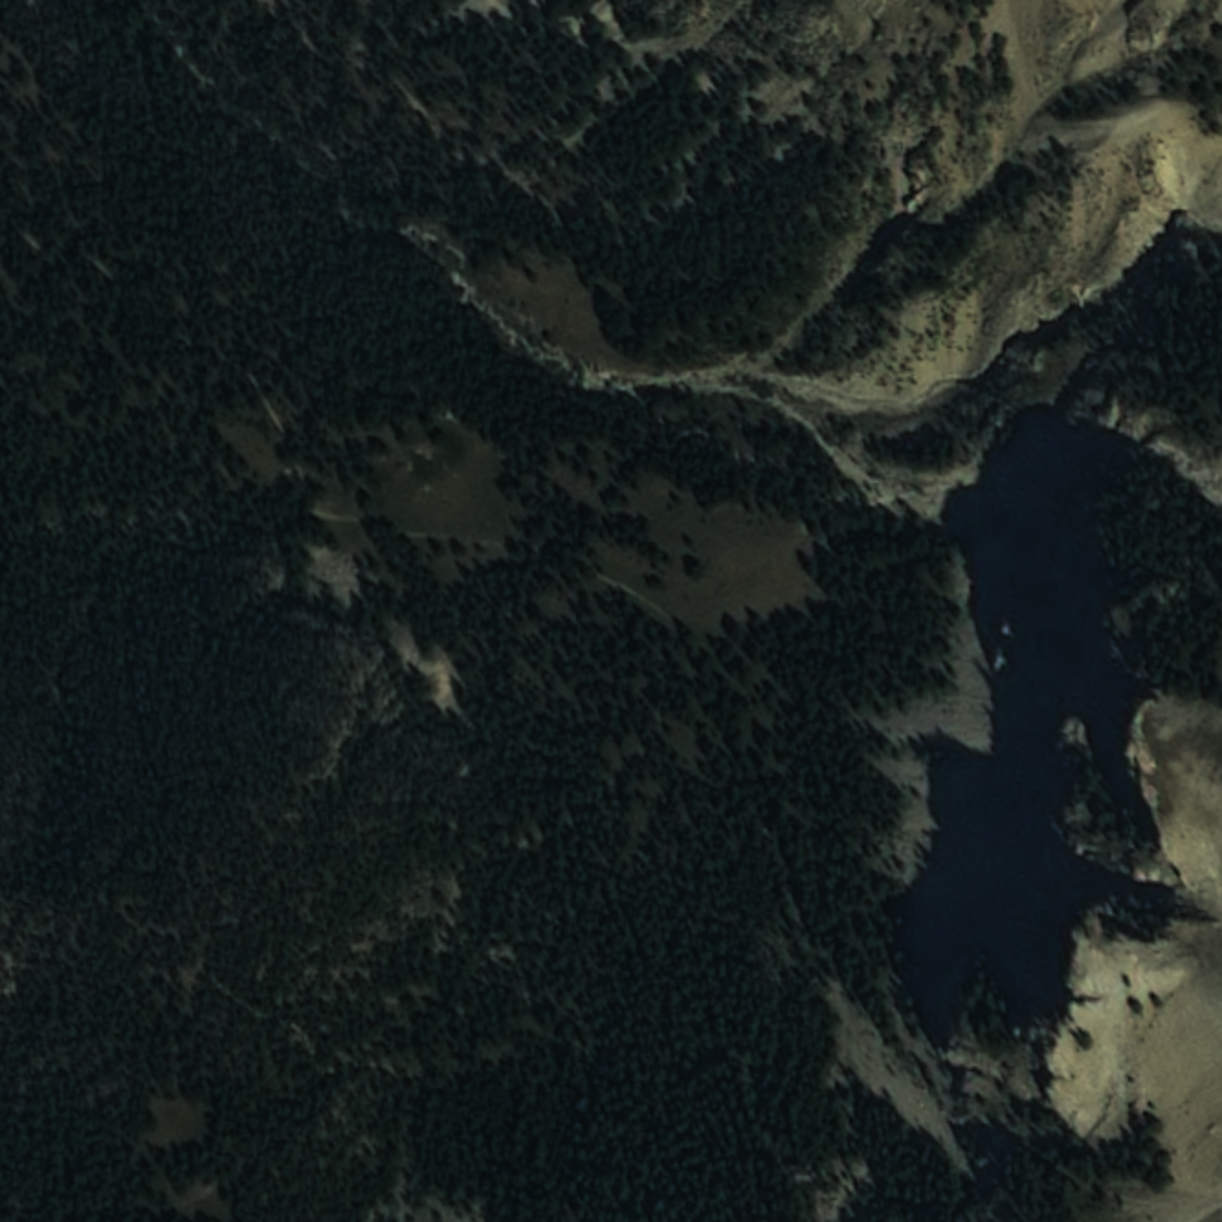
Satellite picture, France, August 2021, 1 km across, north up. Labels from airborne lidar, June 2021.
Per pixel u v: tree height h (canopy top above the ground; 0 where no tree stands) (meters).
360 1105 17
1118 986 0
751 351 15
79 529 10
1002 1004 18
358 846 10
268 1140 16
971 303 0
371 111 14
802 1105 21
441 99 23
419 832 17
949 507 0
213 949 8
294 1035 17
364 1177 6
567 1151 12
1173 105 0
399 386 21
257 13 22
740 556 0
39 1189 16
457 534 0
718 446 12
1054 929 8
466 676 21
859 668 22
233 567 14
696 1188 17
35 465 7
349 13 21
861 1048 0
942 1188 15
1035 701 0
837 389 0
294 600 10
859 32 0
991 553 0
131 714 7
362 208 13
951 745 0
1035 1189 14
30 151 19
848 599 23
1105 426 0
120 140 22
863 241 0
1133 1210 0
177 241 22
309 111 23
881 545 26
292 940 18
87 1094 12
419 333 22
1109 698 0
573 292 0
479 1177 7
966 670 0
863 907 21
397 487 0
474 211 21
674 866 7
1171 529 10
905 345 0
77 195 21
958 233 14
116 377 27
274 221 12
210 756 13
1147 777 0
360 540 0
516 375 14
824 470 12
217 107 14
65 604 12
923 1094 0
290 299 25
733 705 14
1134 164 0
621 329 24
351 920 16
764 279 19
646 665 19
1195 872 0
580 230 28
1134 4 0
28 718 11
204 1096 20
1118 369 0
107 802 14
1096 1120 0
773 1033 14
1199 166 0
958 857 0
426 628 24
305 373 22
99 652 13
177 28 9
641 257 24
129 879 19
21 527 18
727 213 18
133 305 11
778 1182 22
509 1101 12
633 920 18
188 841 12
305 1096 17
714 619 0
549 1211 22
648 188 22
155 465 19
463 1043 19
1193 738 0
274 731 10
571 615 0
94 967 15
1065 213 0
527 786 20
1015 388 0
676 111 16
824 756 19
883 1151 14
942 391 0
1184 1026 0
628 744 21
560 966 21
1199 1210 0
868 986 22
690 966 22
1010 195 15
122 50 17
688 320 20
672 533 0
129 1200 22
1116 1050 0
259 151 20
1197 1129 0
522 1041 12
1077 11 0
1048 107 0
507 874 20
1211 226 0
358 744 11
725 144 12
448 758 9
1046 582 0
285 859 14
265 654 13
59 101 21
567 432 11
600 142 7
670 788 7
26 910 13
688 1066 22
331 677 12
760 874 11
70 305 22
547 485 19
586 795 18
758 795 11
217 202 17
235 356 17
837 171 10
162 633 12
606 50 24
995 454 0
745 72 8
